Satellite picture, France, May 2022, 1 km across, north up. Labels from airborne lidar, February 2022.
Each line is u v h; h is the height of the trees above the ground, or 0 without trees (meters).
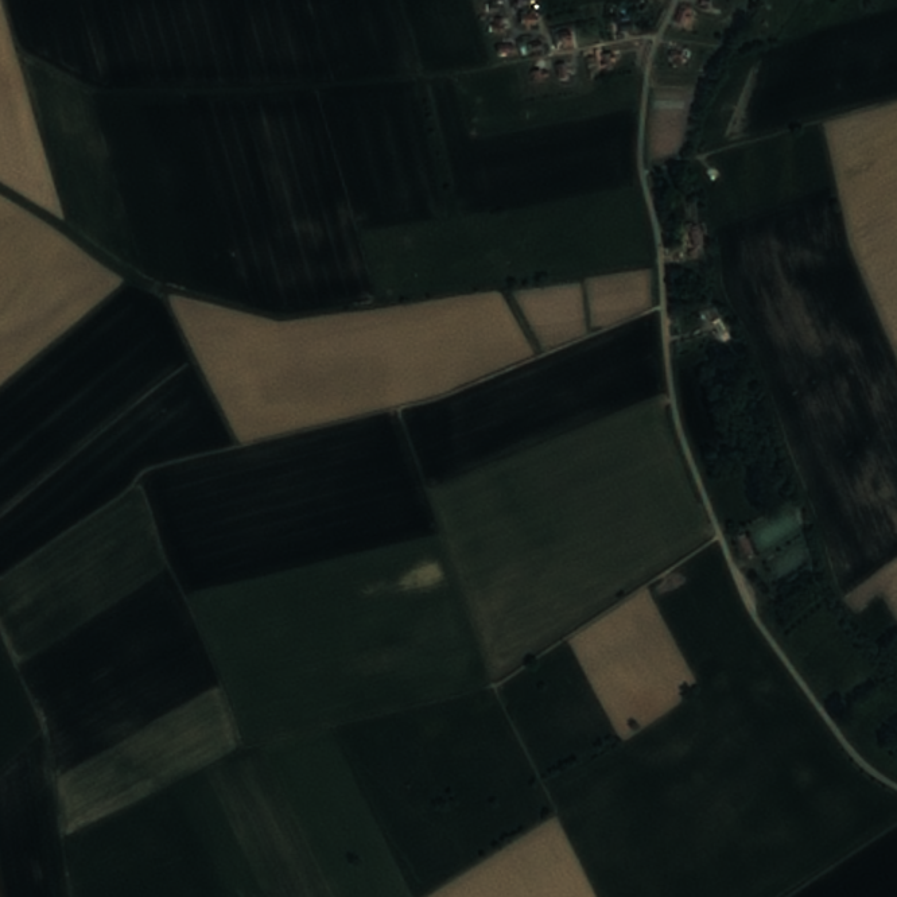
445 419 0
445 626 0
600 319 0
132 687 0
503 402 0
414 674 0
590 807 0
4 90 0
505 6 0
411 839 0
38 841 0
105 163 0
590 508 0
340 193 0
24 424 0
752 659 0
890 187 0
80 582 0
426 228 0
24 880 0
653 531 0
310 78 0
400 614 0
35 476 0
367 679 0
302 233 0
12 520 0
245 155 0
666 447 0
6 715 0
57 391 0
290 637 0
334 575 0
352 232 0
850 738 0
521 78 0
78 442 0
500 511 0
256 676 0
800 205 0
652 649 0
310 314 0
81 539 0
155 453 0
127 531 0
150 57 0
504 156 0
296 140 0
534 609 0
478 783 0
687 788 0
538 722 0
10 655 0
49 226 0
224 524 0
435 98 0
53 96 0
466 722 0
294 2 0
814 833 0
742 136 0
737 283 0
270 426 0
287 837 0
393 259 0
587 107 0
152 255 0
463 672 0
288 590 0
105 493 0
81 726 0
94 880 0
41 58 0
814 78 0
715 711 0
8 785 0
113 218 0
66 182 0
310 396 0
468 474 0
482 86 0
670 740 0
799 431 0
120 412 0
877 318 0
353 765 0
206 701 0
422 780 0
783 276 0
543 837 0
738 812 0
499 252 0
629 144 0
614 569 0
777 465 19
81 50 0
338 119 0
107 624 0
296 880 0
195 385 0
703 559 0
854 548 0
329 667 0
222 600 0
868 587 0
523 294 0
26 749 0
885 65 0
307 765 0
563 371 0
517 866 0
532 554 0
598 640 0
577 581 0
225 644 0
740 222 0
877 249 0
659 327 0
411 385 0
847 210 0
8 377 0
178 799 0
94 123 0
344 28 0
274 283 0
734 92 0
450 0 0
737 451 19
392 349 0
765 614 0
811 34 0
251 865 0
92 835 0
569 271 0
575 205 0
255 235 0
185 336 0
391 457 0
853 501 0
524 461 0
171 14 0
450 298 0
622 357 0
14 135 0
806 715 0
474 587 0
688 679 0
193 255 0
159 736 0
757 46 13
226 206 0
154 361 0
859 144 0
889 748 20
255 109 0
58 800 0
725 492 0
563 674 0
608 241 0
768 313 0
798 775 0
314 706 0
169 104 0
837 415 0
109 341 0
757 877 0
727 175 0
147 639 0
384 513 0
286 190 0
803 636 0
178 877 0
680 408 0
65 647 0
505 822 0
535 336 0
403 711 0
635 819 0
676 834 0
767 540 0
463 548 0
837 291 0
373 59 0
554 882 0
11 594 0
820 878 0
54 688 0
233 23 0
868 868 0
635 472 0
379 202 0
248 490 0
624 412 0
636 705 0
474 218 0
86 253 0
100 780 0
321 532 0
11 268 0
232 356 0
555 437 0
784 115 0
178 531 0
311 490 0
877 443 0
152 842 0
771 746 0
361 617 0
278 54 0
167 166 0
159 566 0
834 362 0
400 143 0
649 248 0
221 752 0
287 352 0
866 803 0
